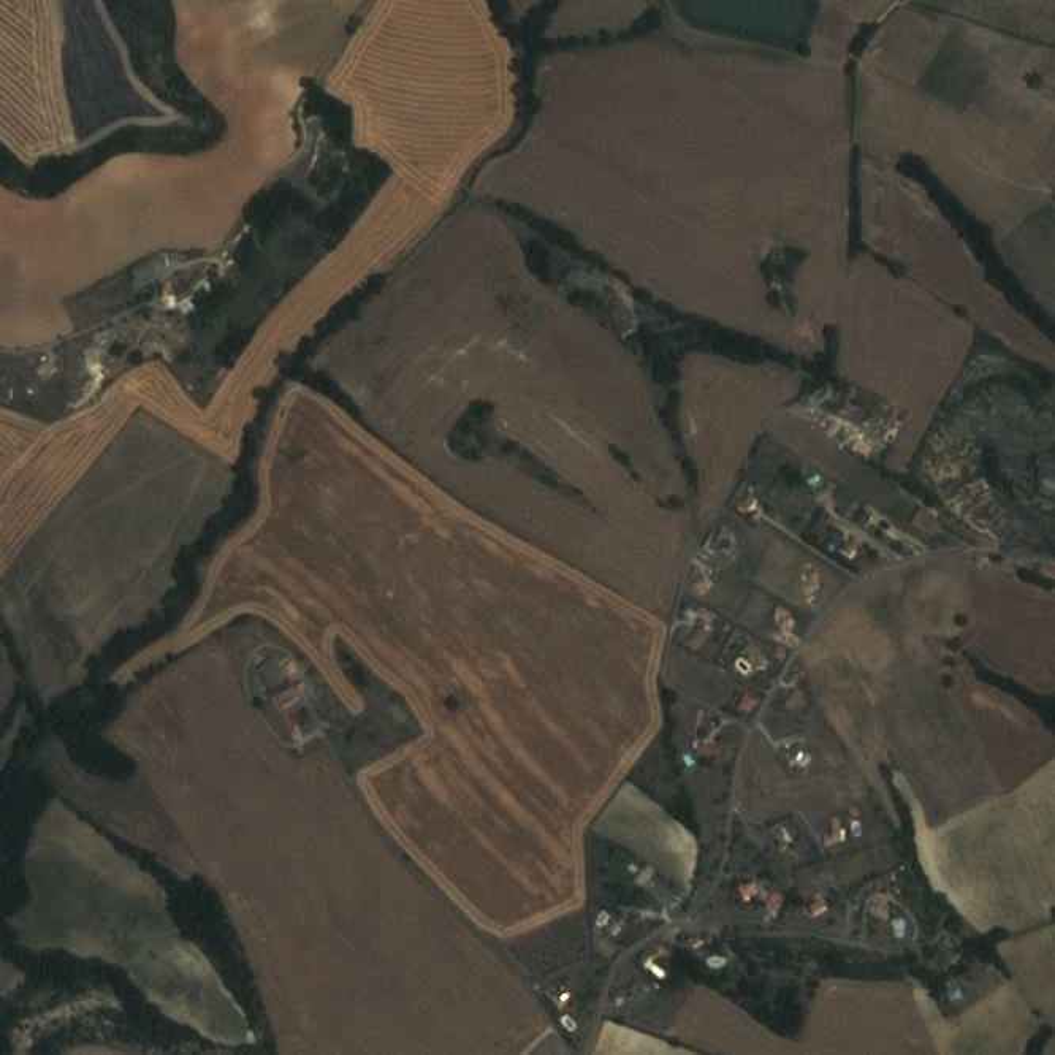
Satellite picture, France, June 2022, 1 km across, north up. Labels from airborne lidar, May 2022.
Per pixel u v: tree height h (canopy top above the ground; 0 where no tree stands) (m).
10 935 14
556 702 0
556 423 0
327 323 15
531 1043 0
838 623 0
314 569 0
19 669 11
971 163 0
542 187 0
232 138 0
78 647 0
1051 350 0
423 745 0
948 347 0
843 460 0
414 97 0
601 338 0
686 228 0
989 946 13
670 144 0
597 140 0
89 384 0
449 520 0
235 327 8
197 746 0
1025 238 0
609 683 0
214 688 0
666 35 0
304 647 0
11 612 0
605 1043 0
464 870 0
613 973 0
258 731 0
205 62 0
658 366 10
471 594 0
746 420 0
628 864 0
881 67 0
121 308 6
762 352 15
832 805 0
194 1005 0
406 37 0
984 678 10
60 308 0
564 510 0
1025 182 0
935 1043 0
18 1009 7
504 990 0
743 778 0
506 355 0
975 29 0
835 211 0
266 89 0
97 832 8
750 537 0
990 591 0
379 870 0
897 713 0
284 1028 0
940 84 0
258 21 0
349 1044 0
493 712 0
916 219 0
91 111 0
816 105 0
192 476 0
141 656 0
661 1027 0
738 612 0
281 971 0
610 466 0
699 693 0
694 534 0
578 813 0
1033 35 0
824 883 0
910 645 0
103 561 0
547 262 15
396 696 12
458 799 0
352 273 0
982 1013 0
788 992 8
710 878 5
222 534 25
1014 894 0
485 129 0
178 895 13
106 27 0
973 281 0
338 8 0
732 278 0
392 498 0
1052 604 0
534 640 0
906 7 0
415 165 0
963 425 0
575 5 0
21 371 0
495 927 0
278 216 13
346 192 11
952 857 0
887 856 0
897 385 0
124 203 0
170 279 0
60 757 0
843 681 0
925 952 9
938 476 0
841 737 0
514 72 14
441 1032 0
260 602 0
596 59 0
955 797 0
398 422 0
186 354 7
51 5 0
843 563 8
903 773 0
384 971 0
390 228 0
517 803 0
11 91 0
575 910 0
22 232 0
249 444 18
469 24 0
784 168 0
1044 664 0
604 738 0
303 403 0
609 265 8
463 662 0
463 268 0
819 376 15
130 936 0
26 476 0
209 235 0
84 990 6
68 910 0
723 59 0
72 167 6
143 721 0
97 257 0
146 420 0
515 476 0
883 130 0
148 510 0
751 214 0
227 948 8
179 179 0
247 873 0
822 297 0
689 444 0
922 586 0
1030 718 0
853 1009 0
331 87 0
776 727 0
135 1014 9
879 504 0
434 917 0
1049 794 0
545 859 0
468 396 0
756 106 0
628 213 0
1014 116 0
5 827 21
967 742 0
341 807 0
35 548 0
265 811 0
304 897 0
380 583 0
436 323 0
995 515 0
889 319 0
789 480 7
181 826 0
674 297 0
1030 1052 11
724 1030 0
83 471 0
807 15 0
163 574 0
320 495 0
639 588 0
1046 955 0
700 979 14
